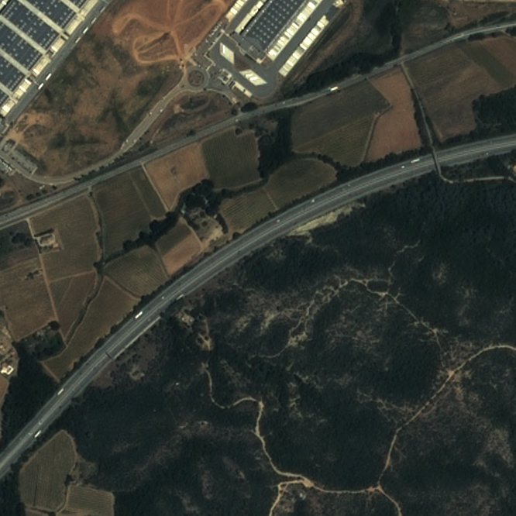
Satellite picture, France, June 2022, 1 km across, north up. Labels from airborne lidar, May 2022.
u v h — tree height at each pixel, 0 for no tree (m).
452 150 0
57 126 0
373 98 0
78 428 6
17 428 12
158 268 0
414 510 9
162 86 0
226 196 12
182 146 0
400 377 9
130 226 0
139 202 0
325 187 11
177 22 0
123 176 0
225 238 0
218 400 8
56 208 0
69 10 0
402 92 0
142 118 0
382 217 7
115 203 0
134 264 0
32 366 19
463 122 0
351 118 0
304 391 9
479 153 0
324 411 8
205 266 0
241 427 6
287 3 0
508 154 8
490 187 18
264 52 0
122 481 7
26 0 0
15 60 0
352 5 0
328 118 0
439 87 0
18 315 0
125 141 0
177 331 12
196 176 0
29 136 0
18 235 10
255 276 7
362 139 0
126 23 0
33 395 11
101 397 9
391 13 7
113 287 0
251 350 6
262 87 0
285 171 0
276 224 0
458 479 5
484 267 8
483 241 15
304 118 0
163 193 0
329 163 11
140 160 0
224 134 0
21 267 0
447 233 8
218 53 0
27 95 0
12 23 0
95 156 0
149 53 0
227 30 0
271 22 0
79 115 0
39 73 0
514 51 0
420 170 0
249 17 0
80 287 0
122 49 0
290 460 7
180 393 7
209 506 5
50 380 10
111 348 0
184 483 6
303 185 0
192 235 0
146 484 6
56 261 0
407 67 0
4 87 0
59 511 0
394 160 9
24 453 7
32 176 0
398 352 7
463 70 0
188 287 0
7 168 0
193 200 21
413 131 0
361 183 0
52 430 14
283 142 10
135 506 6
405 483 6
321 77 17
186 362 6
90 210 0
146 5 0
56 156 0
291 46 0
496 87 0
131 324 0
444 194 16
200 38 0
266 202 0
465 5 0
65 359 0
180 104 0
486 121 10
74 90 0
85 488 0
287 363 6
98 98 0
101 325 0
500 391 7
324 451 8
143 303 12
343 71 18
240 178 0
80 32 0
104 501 0
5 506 7
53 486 0
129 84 0
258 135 7
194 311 10
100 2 0
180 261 0
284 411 6
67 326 0
